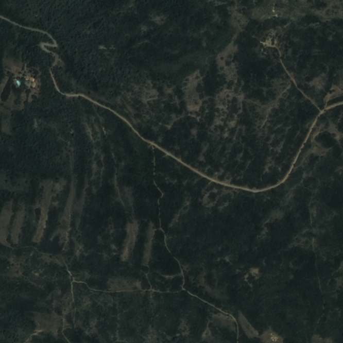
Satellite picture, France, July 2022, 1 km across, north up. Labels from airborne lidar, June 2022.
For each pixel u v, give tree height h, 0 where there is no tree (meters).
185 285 8
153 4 7
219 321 0
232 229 6
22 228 7
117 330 0
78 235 6
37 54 11
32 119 7
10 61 0
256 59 8
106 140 9
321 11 0
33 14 8
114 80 13
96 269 5
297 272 7
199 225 6
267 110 0
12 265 7
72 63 8
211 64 6
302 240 0
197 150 5
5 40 8
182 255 6
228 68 0
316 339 0
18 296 6
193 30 6
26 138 6
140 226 6
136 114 5
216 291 0
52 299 0
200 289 7
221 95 0
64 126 7
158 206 7
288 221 6
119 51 6
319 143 0
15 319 8
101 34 7
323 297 9
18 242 6
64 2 8
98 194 5
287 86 0
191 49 6
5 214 0
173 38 6
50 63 12
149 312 8
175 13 9
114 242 6
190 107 0
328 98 0
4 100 9
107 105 7
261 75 8
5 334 12
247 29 6
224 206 0
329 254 7
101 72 7
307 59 7
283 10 0
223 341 0
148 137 9
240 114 6
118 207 6
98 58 7
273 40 6
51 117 7
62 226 0
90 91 10
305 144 6
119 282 0
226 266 5
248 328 0
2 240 0
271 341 0
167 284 10
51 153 8
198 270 7
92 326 0
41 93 8
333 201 7
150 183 8
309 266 6
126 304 10
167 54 6
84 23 12
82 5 8
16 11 5
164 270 8
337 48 6
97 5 11
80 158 7
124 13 7
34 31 10
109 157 7
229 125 0
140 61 6
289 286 6
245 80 6
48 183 0
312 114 6
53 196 0
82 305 0
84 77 10
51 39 14
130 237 0
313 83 0
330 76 6
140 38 7
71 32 9
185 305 6
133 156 6
